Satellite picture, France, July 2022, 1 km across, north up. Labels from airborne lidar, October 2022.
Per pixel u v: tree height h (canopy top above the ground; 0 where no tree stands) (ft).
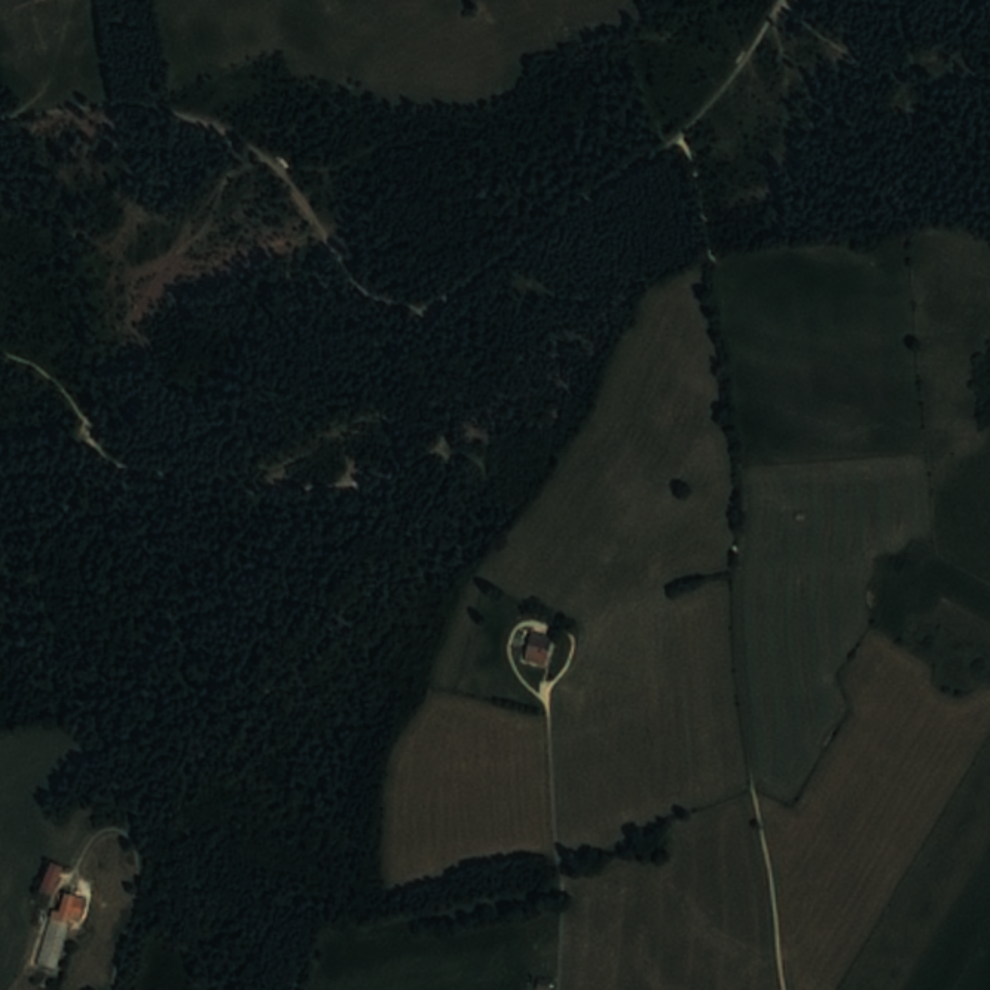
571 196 95
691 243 91
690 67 0
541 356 56
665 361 0
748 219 22
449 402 50
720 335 32
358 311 124
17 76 0
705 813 0
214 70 0
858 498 0
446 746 0
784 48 0
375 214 58
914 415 0
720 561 0
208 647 115
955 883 0
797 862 0
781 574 0
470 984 0
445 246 60
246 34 0
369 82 0
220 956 93
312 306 128
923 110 61
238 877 63
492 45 0
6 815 0
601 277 55
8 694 54
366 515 54
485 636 0
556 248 0
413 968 0
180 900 67
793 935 0
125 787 86
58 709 28
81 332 64
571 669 0
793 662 0
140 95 74
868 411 0
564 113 52
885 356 0
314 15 0
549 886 63
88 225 100
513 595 0
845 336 0
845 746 0
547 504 0
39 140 94
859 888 0
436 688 0
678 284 0
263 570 101
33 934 0
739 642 0
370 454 19
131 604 62
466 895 66
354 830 76
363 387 102
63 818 24
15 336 34
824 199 102
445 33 0
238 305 131
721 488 0
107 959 0
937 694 0
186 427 137
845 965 0
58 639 30
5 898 0
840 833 0
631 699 0
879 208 112
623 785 0
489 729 0
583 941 0
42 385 39
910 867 0
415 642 55
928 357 0
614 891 0
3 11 0
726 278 0
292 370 94
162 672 118
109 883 0
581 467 0
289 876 44
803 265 0
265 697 22
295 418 114
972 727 0
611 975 0
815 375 0
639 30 51
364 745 82
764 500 0
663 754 0
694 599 0
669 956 0
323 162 21
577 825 0
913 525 0
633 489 0
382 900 43
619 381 0
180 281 24
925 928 0
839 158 81
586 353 84
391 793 0
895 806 0
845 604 0
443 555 48
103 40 80
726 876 0
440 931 67
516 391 68
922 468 0
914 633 0
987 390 25
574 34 0
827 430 0
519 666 0
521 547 0
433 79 0
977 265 0
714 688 0
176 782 44
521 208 77
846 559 0
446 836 0
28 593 67
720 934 0
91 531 95
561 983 0
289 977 80
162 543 88
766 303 0
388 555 50
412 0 0
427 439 70
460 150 43
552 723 0
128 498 117
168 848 30
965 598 0
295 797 117
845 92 71
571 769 0
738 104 0
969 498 0
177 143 88
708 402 0
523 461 54
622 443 0
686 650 0
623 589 0
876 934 0
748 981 0
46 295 17
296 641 62
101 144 21
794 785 0
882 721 0
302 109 35
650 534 0
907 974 0
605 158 88
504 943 0
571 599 0
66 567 58
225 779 59
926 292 0
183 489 113
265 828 39
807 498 0
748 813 0
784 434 0
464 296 82
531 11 0
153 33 76
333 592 73
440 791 0
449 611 0
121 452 121
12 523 63
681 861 0
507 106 41
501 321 57
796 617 0
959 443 0
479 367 96
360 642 46
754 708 0
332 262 118
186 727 91
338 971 0
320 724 33
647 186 77
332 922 110
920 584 0
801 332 0
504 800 0
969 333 0
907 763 0
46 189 116
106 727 86
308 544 119
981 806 0
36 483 110
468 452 38
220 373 55
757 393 0
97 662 51
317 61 0
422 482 40
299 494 102
